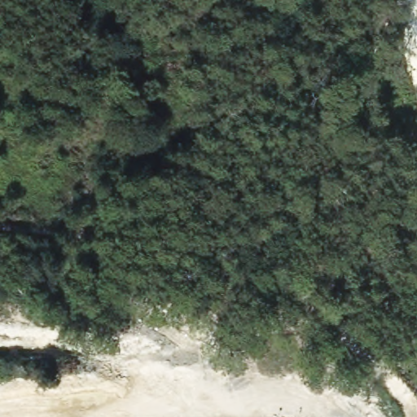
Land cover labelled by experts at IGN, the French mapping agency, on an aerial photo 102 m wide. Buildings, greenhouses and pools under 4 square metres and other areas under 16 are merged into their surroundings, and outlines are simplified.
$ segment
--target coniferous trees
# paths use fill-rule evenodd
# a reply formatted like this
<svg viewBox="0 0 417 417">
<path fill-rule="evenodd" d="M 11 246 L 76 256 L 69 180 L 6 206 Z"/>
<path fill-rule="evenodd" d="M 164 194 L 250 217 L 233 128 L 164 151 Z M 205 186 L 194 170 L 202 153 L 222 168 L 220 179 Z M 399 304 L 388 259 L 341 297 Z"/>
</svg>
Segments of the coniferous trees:
<svg viewBox="0 0 417 417">
<path fill-rule="evenodd" d="M 248 358 L 256 360 L 267 360 L 279 352 L 290 352 L 295 357 L 300 357 L 300 362 L 305 363 L 309 370 L 323 376 L 327 363 L 334 363 L 340 378 L 347 378 L 350 386 L 360 388 L 367 384 L 367 378 L 375 371 L 378 362 L 388 363 L 389 370 L 393 370 L 396 376 L 417 396 L 417 98 L 412 73 L 407 67 L 407 47 L 404 42 L 404 29 L 410 28 L 410 23 L 415 18 L 412 7 L 415 0 L 0 0 L 0 116 L 3 112 L 11 112 L 15 116 L 18 127 L 26 134 L 24 140 L 29 147 L 59 148 L 68 137 L 83 135 L 86 121 L 104 127 L 108 132 L 109 142 L 116 147 L 116 150 L 109 150 L 104 155 L 91 153 L 88 156 L 88 160 L 99 165 L 103 171 L 103 176 L 98 182 L 106 189 L 106 194 L 104 199 L 96 199 L 96 212 L 101 218 L 101 226 L 108 231 L 108 241 L 77 244 L 75 248 L 68 244 L 62 249 L 65 254 L 64 266 L 50 266 L 49 262 L 42 262 L 41 266 L 36 267 L 33 257 L 21 254 L 18 256 L 16 249 L 11 249 L 8 238 L 0 239 L 0 282 L 5 277 L 10 277 L 11 283 L 23 288 L 29 296 L 44 295 L 46 305 L 59 309 L 64 318 L 65 324 L 59 331 L 62 339 L 70 344 L 80 344 L 81 347 L 86 345 L 93 355 L 116 355 L 119 352 L 121 334 L 127 334 L 130 327 L 132 318 L 129 298 L 137 298 L 150 306 L 165 306 L 176 296 L 184 295 L 191 296 L 194 301 L 200 301 L 199 306 L 194 308 L 192 318 L 200 319 L 200 316 L 208 311 L 217 314 L 218 327 L 217 332 L 213 334 L 218 345 L 222 349 L 235 350 L 239 355 Z"/>
</svg>

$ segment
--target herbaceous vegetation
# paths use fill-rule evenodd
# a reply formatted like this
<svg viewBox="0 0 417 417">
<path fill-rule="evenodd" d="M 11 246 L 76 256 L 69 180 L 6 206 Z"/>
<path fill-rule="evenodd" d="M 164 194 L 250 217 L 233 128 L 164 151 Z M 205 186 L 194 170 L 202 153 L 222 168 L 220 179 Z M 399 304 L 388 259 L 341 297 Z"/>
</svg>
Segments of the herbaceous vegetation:
<svg viewBox="0 0 417 417">
<path fill-rule="evenodd" d="M 295 357 L 290 352 L 279 352 L 267 360 L 256 360 L 257 368 L 262 375 L 285 376 L 288 373 L 298 373 L 301 383 L 306 384 L 314 393 L 319 394 L 323 393 L 324 389 L 334 388 L 344 396 L 378 396 L 378 407 L 384 417 L 406 417 L 401 402 L 397 401 L 386 386 L 388 378 L 396 376 L 393 370 L 389 370 L 388 363 L 378 362 L 375 371 L 367 378 L 367 384 L 360 388 L 350 386 L 347 378 L 340 378 L 334 363 L 327 363 L 323 376 L 309 370 L 305 363 L 300 362 L 300 357 Z"/>
<path fill-rule="evenodd" d="M 174 327 L 181 331 L 182 326 L 189 326 L 191 331 L 202 332 L 207 329 L 213 334 L 217 332 L 218 327 L 217 314 L 208 311 L 200 316 L 200 319 L 192 318 L 194 308 L 199 306 L 200 301 L 194 301 L 191 296 L 184 295 L 176 296 L 165 306 L 150 306 L 137 298 L 129 298 L 132 318 L 130 327 L 137 324 L 137 319 L 142 319 L 143 323 L 151 327 Z"/>
<path fill-rule="evenodd" d="M 244 371 L 248 370 L 248 358 L 239 355 L 235 350 L 222 349 L 218 345 L 217 355 L 210 358 L 213 370 L 225 370 L 228 375 L 233 376 L 244 375 Z"/>
<path fill-rule="evenodd" d="M 57 208 L 64 207 L 80 197 L 77 191 L 73 191 L 75 182 L 78 182 L 78 171 L 73 168 L 70 156 L 59 155 L 59 148 L 29 147 L 24 140 L 26 134 L 18 127 L 15 116 L 11 112 L 3 112 L 0 116 L 0 197 L 7 194 L 10 182 L 20 182 L 26 189 L 24 205 L 34 207 L 39 217 L 44 220 L 54 220 Z"/>
</svg>

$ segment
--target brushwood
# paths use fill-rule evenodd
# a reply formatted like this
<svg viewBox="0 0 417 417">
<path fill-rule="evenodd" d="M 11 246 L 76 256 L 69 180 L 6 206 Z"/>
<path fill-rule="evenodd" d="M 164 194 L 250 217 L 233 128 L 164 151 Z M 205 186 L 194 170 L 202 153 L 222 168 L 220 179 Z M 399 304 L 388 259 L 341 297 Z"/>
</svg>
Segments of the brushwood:
<svg viewBox="0 0 417 417">
<path fill-rule="evenodd" d="M 44 295 L 29 296 L 23 288 L 11 283 L 10 277 L 5 277 L 0 282 L 0 323 L 13 314 L 21 313 L 36 327 L 49 327 L 59 331 L 65 324 L 64 318 L 59 309 L 46 305 Z"/>
<path fill-rule="evenodd" d="M 0 345 L 0 384 L 15 378 L 24 378 L 36 381 L 42 388 L 55 388 L 59 386 L 62 380 L 60 373 L 67 365 L 75 365 L 78 368 L 80 360 L 77 352 L 59 349 L 54 345 L 47 345 L 44 349 L 24 349 Z"/>
<path fill-rule="evenodd" d="M 116 147 L 109 142 L 108 132 L 104 127 L 86 121 L 83 135 L 68 137 L 59 148 L 59 155 L 70 156 L 73 168 L 78 171 L 78 182 L 75 182 L 73 191 L 77 191 L 80 197 L 64 207 L 57 208 L 54 220 L 44 220 L 39 217 L 34 207 L 24 205 L 26 189 L 20 182 L 10 182 L 7 194 L 0 197 L 0 239 L 8 238 L 11 249 L 16 249 L 18 256 L 21 254 L 33 257 L 36 267 L 41 266 L 42 262 L 49 262 L 50 266 L 64 266 L 65 254 L 62 249 L 68 244 L 75 248 L 77 244 L 108 241 L 108 231 L 101 226 L 101 218 L 96 212 L 96 199 L 104 199 L 106 194 L 106 189 L 98 182 L 103 176 L 103 171 L 99 165 L 88 160 L 88 156 L 91 153 L 104 155 L 109 150 L 116 150 Z"/>
</svg>

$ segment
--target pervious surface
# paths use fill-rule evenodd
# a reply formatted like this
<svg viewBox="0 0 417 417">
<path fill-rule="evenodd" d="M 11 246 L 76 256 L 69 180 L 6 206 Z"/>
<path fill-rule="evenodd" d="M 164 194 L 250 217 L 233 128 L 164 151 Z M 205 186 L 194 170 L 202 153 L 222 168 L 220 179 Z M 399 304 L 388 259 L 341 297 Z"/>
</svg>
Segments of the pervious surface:
<svg viewBox="0 0 417 417">
<path fill-rule="evenodd" d="M 60 373 L 62 380 L 59 386 L 55 388 L 42 388 L 36 381 L 24 378 L 15 378 L 0 384 L 0 417 L 384 417 L 378 407 L 378 396 L 344 396 L 334 388 L 324 389 L 323 393 L 319 394 L 314 393 L 306 384 L 301 383 L 298 373 L 288 373 L 285 376 L 262 375 L 257 368 L 256 360 L 248 358 L 248 370 L 244 371 L 244 375 L 233 376 L 228 375 L 225 370 L 213 370 L 210 358 L 217 355 L 218 345 L 213 334 L 207 329 L 202 332 L 191 331 L 189 326 L 182 326 L 181 331 L 174 327 L 151 327 L 143 323 L 142 319 L 137 319 L 137 324 L 130 327 L 127 334 L 121 334 L 119 352 L 116 355 L 93 355 L 86 345 L 81 347 L 80 344 L 70 344 L 62 339 L 59 331 L 49 327 L 36 327 L 21 313 L 13 314 L 0 323 L 0 345 L 24 349 L 44 349 L 47 345 L 54 345 L 59 349 L 77 352 L 80 360 L 78 368 L 75 365 L 67 365 Z"/>
<path fill-rule="evenodd" d="M 415 0 L 412 7 L 415 18 L 410 23 L 410 28 L 404 29 L 404 42 L 407 47 L 407 67 L 412 73 L 417 98 L 417 0 Z"/>
<path fill-rule="evenodd" d="M 417 396 L 396 376 L 388 378 L 386 386 L 397 401 L 401 402 L 406 417 L 417 417 Z"/>
</svg>

